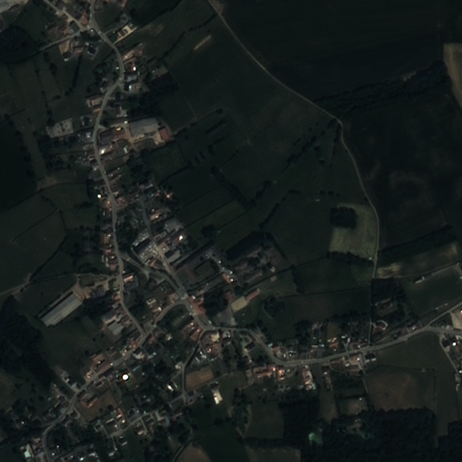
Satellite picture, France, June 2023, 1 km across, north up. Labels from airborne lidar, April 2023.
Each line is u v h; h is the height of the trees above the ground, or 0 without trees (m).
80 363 0
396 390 0
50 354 0
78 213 0
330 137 0
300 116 0
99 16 0
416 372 0
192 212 0
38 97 0
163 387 9
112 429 0
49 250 0
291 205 0
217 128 7
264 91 0
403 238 0
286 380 0
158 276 0
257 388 0
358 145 0
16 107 0
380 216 0
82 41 0
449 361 0
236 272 9
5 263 0
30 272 0
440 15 0
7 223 0
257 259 9
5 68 0
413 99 12
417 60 0
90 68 0
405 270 0
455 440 19
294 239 0
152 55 0
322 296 0
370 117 0
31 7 0
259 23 0
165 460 8
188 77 0
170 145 9
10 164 0
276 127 0
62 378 0
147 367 5
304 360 0
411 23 0
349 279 0
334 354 0
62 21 0
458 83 0
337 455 18
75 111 0
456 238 9
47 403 0
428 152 0
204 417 0
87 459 0
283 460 0
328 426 14
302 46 0
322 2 0
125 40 0
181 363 0
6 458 0
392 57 0
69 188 0
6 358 19
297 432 17
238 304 0
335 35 0
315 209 0
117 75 12
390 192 0
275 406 0
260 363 8
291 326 0
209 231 20
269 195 0
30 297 0
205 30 0
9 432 14
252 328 12
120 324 0
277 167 0
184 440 14
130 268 9
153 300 0
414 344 0
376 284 14
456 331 0
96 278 0
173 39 0
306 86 0
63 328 0
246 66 0
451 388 0
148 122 0
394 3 0
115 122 0
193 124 7
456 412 0
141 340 0
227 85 0
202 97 0
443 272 0
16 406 13
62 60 0
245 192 0
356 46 0
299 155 6
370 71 0
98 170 0
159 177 0
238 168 0
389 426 20
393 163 0
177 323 0
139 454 0
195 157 0
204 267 0
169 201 8
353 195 0
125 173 0
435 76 24
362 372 13
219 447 0
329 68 0
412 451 23
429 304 0
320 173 0
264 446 12
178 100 0
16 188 0
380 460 20
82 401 0
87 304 14
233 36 0
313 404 16
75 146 0
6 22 0
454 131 0
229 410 0
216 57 0
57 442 13
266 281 0
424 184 0
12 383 0
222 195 0
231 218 0
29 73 0
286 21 0
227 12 0
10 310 22
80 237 0
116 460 6
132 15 13
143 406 9
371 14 0
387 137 0
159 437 6
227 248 0
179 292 0
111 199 0
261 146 0
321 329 7
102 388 0
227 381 0
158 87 17
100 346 0
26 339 20
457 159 0
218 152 0
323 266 0
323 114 0
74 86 7
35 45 14
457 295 0
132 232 7
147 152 14
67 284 0
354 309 0
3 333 19
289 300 0
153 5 0
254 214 0
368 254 0
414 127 0
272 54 0
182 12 0
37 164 0
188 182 0
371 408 8
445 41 0
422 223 0
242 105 0
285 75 0
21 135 11
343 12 0
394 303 9
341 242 0
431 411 9
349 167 0
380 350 0
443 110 0
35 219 0
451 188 0
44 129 0
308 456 11
